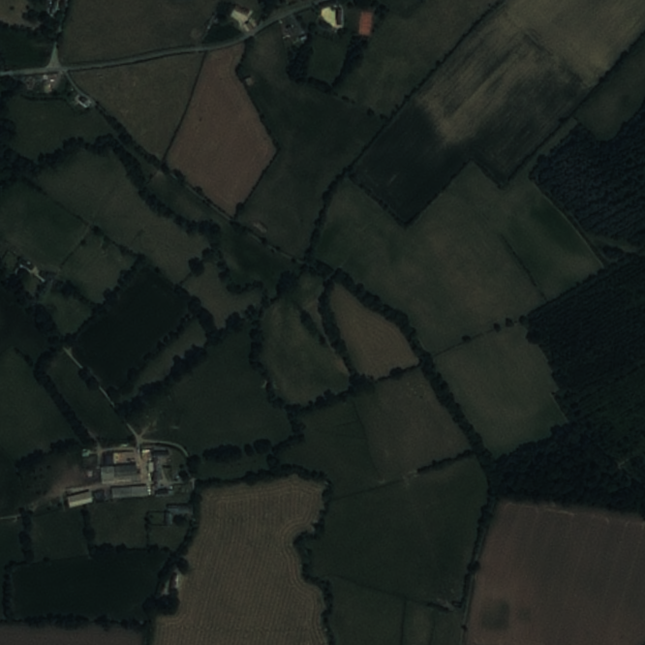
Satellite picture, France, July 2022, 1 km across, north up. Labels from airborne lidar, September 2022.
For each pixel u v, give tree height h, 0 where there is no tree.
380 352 0
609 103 0
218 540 0
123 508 0
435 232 0
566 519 0
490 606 0
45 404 0
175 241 0
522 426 0
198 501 11
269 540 0
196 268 20
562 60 0
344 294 0
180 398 0
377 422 0
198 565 0
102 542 0
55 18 7
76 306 0
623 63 8
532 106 0
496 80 0
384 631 0
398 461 0
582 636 0
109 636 0
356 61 23
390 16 0
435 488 0
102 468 0
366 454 0
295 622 0
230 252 0
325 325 20
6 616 15
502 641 0
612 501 17
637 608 0
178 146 0
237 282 0
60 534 0
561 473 18
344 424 0
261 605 0
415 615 0
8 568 11
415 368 6
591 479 17
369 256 0
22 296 13
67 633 0
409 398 0
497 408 0
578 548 0
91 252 0
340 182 12
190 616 0
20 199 0
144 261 21
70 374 0
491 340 0
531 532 0
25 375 0
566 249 0
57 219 0
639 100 0
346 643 0
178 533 0
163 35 0
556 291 0
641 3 0
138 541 0
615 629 0
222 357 0
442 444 0
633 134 19
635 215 13
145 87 0
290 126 0
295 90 0
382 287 0
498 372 0
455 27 0
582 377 12
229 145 0
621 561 0
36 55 0
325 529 12
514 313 0
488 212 0
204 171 0
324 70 0
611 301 14
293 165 0
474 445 13
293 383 0
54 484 0
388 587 0
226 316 0
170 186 0
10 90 9
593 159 18
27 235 0
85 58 0
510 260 0
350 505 0
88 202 0
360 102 0
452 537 0
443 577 0
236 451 22
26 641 0
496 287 0
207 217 0
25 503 0
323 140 0
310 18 0
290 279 27
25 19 6
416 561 0
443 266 0
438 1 0
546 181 19
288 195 0
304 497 0
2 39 0
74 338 11
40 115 0
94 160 0
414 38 0
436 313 0
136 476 0
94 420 0
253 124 0
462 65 0
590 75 0
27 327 0
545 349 7
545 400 0
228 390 0
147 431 0
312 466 0
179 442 0
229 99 0
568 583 0
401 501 0
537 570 0
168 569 17
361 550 0
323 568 0
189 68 0
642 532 0
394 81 0
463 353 0
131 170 23
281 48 0
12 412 0
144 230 0
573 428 18
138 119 0
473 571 13
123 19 0
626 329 13
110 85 0
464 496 0
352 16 0
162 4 0
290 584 0
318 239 15
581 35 0
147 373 0
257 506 0
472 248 0
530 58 0
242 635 0
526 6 0
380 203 8
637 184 19
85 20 0
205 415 0
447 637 0
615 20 0
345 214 0
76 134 0
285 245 0
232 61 0
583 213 15
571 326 13
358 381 24
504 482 18
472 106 0
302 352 0
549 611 0
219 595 0
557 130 6
